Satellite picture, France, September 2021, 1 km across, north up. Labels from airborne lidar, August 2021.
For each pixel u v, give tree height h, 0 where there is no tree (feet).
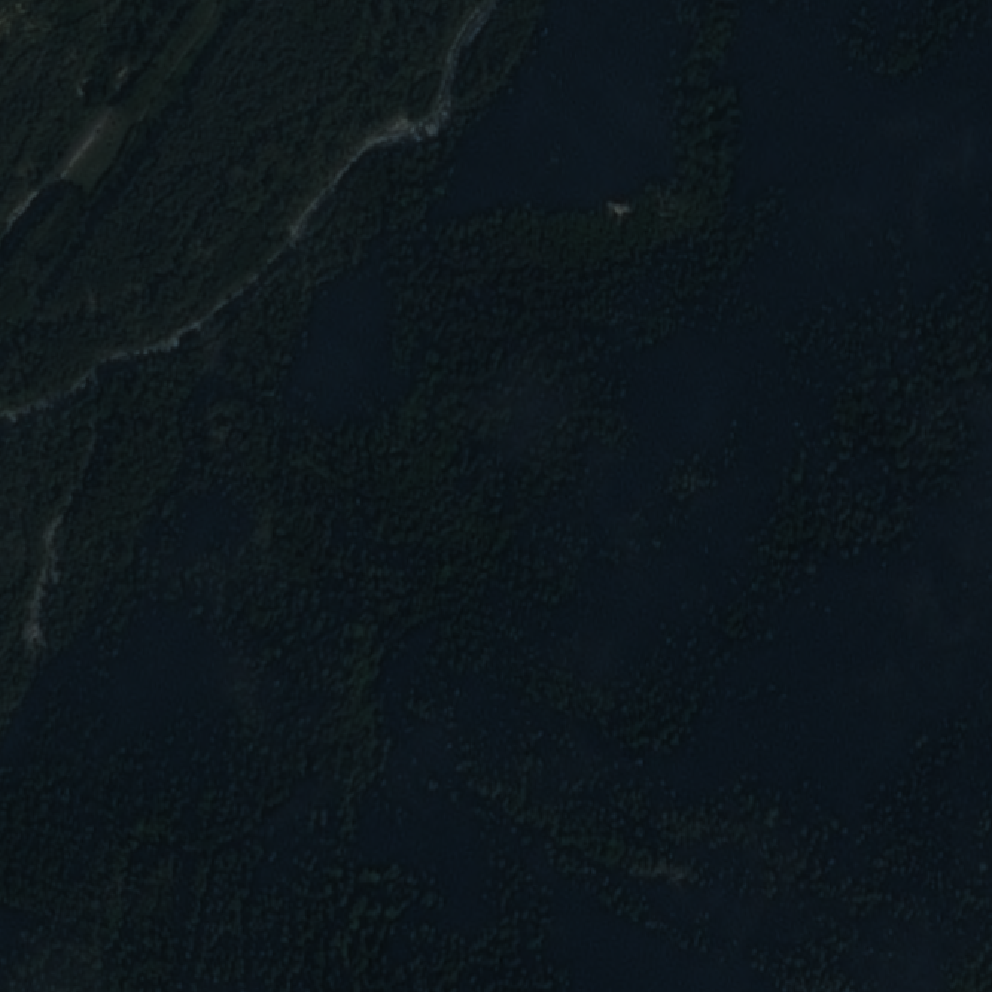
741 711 51
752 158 76
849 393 74
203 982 31
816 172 55
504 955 58
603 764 97
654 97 67
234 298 0
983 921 68
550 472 78
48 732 66
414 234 89
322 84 58
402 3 48
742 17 77
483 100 56
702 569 66
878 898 55
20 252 45
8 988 84
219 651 65
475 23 0
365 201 28
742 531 59
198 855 67
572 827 75
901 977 0
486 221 45
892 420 66
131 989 57
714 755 44
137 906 68
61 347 69
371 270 69
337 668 45
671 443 51
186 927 71
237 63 53
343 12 62
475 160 34
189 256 74
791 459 81
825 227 59
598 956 46
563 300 54
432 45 54
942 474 66
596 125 22
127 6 57
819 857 68
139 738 75
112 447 83
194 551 58
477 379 87
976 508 69
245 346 43
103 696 76
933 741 71
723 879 25
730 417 61
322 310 31
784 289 50
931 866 60
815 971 55
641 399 49
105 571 36
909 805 74
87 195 23
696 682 92
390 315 60
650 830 44
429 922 39
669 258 68
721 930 27
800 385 68
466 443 73
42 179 66
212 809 69
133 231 70
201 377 38
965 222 75
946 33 69
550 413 48
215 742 66
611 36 40
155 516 29
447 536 47
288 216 29
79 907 55
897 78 45
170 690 56
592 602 73
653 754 71
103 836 71
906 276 58
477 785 65
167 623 56
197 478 90
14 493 39
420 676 72
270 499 51
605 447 56
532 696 56
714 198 65
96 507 48
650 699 81
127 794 79
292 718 72
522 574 74
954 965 73
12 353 41
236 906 73
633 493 36
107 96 69
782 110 71
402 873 41
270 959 60
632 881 22
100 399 37
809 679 77
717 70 49
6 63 20
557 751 83
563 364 78
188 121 54
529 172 41
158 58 68
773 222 58
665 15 51
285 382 39
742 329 61
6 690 39
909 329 53
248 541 40
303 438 56
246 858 86
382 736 53
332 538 30
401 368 46
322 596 47
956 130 32
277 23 58
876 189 27
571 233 49
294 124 61
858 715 37
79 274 53
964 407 107
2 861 87
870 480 56
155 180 57
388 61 39
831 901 43
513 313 86
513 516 85
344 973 63
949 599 69
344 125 32
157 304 68
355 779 47
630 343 51
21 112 24
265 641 90
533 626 66
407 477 67
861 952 48
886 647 83
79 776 72
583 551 71
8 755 52
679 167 47
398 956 36
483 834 80
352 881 37
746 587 75
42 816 86
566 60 40
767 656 79
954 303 94
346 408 34
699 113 71
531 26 31
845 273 70
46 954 82
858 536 45
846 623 93
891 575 73
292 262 29
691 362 51
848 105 42
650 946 26
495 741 74
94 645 70
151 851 35
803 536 81
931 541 80
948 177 29
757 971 50
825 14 38
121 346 59
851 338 64
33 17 19
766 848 65
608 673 53
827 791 63
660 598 50
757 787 60
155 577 82
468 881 52
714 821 56
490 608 50
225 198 67
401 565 56
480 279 67
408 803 49
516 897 70
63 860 68
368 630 47
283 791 74
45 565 28
